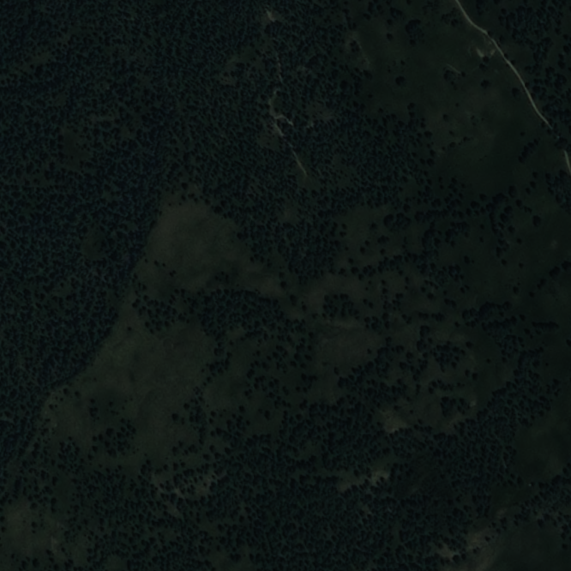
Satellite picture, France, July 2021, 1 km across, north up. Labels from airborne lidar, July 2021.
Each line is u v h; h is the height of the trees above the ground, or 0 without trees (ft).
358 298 0
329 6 20
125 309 0
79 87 33
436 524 68
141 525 41
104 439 56
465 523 58
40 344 30
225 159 47
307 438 50
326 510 48
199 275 0
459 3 0
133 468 0
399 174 64
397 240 0
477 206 65
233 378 0
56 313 55
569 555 0
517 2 0
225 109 63
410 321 48
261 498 65
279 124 39
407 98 0
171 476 0
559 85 69
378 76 0
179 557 64
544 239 0
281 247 48
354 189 42
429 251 60
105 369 0
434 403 0
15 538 0
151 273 0
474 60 0
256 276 0
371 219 0
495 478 66
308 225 29
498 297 0
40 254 75
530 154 51
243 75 57
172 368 0
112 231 39
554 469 0
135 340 0
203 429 44
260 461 73
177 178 54
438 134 0
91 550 52
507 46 0
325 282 0
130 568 62
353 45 38
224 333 52
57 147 67
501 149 0
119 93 45
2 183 36
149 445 0
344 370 0
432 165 66
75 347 40
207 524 0
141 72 41
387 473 0
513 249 0
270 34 77
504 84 0
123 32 36
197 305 71
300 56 42
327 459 59
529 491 0
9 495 33
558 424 0
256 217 73
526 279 0
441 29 0
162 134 63
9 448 52
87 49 40
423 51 0
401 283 0
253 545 58
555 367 0
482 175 0
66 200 27
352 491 66
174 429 0
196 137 65
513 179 0
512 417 74
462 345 0
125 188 71
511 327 56
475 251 0
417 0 0
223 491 55
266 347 0
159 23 65
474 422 56
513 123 0
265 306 65
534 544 0
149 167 58
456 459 21
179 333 0
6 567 0
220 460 55
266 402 0
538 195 0
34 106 43
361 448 66
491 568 0
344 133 58
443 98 0
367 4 0
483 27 0
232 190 42
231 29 23
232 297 55
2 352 50
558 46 0
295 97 66
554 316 0
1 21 56
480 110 0
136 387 0
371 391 58
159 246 0
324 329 0
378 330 62
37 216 31
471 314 55
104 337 42
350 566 59
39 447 53
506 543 0
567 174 72
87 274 41
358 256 0
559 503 47
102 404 0
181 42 56
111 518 57
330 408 55
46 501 49
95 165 36
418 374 43
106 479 58
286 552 59
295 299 53
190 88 63
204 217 0
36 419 32
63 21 30
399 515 72
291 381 0
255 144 62
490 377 0
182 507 55
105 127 56
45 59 0
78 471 45
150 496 57
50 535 0
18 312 38
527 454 0
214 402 0
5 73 41
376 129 38
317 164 58
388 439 50
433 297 56
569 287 0
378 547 69
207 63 51
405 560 64
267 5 26
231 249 0
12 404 44
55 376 51
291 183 49
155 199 31
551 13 61
